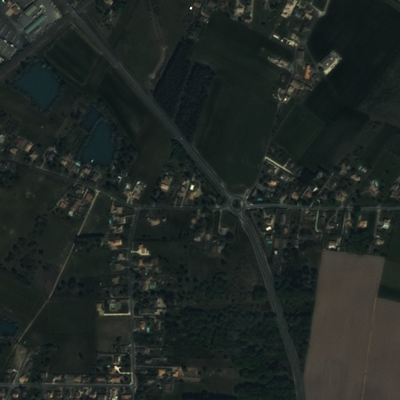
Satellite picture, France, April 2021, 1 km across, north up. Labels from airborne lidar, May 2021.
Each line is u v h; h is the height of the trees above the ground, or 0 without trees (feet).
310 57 0
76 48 0
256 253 0
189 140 56
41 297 0
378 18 0
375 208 0
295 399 51
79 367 0
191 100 62
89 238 47
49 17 0
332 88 0
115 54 0
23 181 0
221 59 0
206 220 22
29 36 0
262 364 42
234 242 51
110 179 43
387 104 32
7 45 0
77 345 0
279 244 0
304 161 0
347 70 0
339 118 0
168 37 0
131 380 0
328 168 0
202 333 45
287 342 0
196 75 58
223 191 0
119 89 0
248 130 0
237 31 0
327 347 0
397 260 0
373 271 0
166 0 0
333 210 0
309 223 0
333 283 0
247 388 61
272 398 77
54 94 0
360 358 0
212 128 0
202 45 0
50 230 0
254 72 0
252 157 0
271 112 0
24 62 0
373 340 0
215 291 28
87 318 0
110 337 0
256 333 56
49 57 0
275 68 0
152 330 24
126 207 0
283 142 0
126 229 29
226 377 0
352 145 0
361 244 79
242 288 25
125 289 24
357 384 0
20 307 0
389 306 0
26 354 0
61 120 0
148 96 0
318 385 0
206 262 0
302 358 40
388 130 0
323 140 0
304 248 37
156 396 0
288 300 26
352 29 0
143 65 0
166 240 23
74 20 0
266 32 0
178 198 19
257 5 0
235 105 0
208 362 0
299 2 0
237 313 27
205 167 0
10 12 0
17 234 0
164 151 0
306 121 0
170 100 62
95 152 0
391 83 24
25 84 0
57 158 36
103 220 0
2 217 0
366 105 34
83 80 0
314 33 0
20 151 0
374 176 0
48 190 0
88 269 0
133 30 0
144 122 0
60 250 0
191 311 33
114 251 0
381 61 0
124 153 36
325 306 0
